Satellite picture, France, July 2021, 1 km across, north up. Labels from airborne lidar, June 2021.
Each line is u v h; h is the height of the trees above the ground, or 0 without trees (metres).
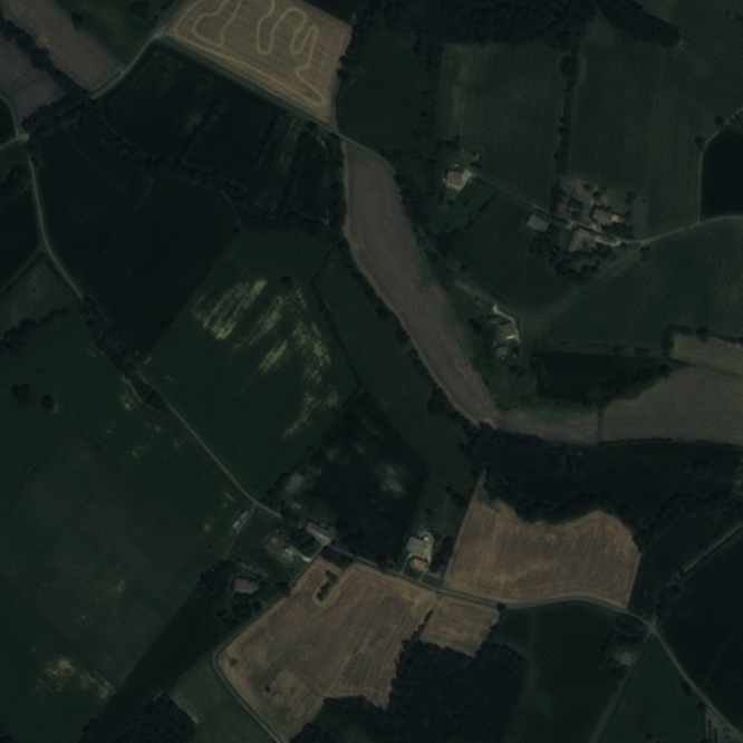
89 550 0
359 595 0
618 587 0
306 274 0
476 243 0
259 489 0
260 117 0
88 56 0
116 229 0
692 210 0
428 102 8
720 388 0
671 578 0
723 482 0
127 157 17
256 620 0
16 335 16
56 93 0
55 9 0
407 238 0
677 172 0
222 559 0
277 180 0
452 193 0
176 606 0
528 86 0
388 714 22
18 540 0
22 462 0
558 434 0
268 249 0
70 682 0
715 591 0
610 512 13
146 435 0
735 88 0
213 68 0
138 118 0
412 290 0
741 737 0
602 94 0
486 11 27
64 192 0
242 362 0
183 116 0
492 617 0
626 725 0
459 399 0
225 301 0
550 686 0
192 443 0
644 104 0
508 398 0
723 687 0
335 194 17
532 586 0
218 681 0
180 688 0
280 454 0
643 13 19
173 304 0
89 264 0
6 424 0
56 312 9
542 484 0
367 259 0
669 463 0
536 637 0
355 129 0
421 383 0
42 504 0
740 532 10
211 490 0
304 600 0
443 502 0
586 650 0
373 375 0
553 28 16
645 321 0
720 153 0
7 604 0
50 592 0
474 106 0
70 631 0
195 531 0
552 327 0
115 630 0
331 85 0
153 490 0
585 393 0
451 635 0
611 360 0
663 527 12
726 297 0
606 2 20
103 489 0
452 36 19
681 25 0
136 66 0
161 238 0
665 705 0
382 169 0
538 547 0
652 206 0
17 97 0
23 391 18
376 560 6
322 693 0
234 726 0
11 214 0
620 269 0
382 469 0
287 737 0
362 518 0
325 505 0
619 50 0
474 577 0
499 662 19
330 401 0
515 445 33
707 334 15
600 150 0
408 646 18
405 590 0
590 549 0
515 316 0
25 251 0
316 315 0
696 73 0
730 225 0
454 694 24
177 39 0
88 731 12
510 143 0
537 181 0
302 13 0
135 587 0
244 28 0
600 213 0
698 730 0
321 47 0
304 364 0
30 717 0
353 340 0
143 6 8
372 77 0
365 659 0
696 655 0
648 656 0
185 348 0
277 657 0
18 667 0
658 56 0
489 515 0
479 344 0
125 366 20
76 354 0
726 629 0
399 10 22
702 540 0
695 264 0
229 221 0
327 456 0
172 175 11
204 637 0
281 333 0
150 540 0
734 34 0
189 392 0
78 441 0
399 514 0
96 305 12
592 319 0
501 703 21
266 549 0
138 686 0
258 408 0
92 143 0
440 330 0
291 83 0
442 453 0
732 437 0
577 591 0
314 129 18
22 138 0
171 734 18
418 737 24
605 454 0
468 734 23
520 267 0
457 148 10
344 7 0
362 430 0
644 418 0
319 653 0
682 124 0
